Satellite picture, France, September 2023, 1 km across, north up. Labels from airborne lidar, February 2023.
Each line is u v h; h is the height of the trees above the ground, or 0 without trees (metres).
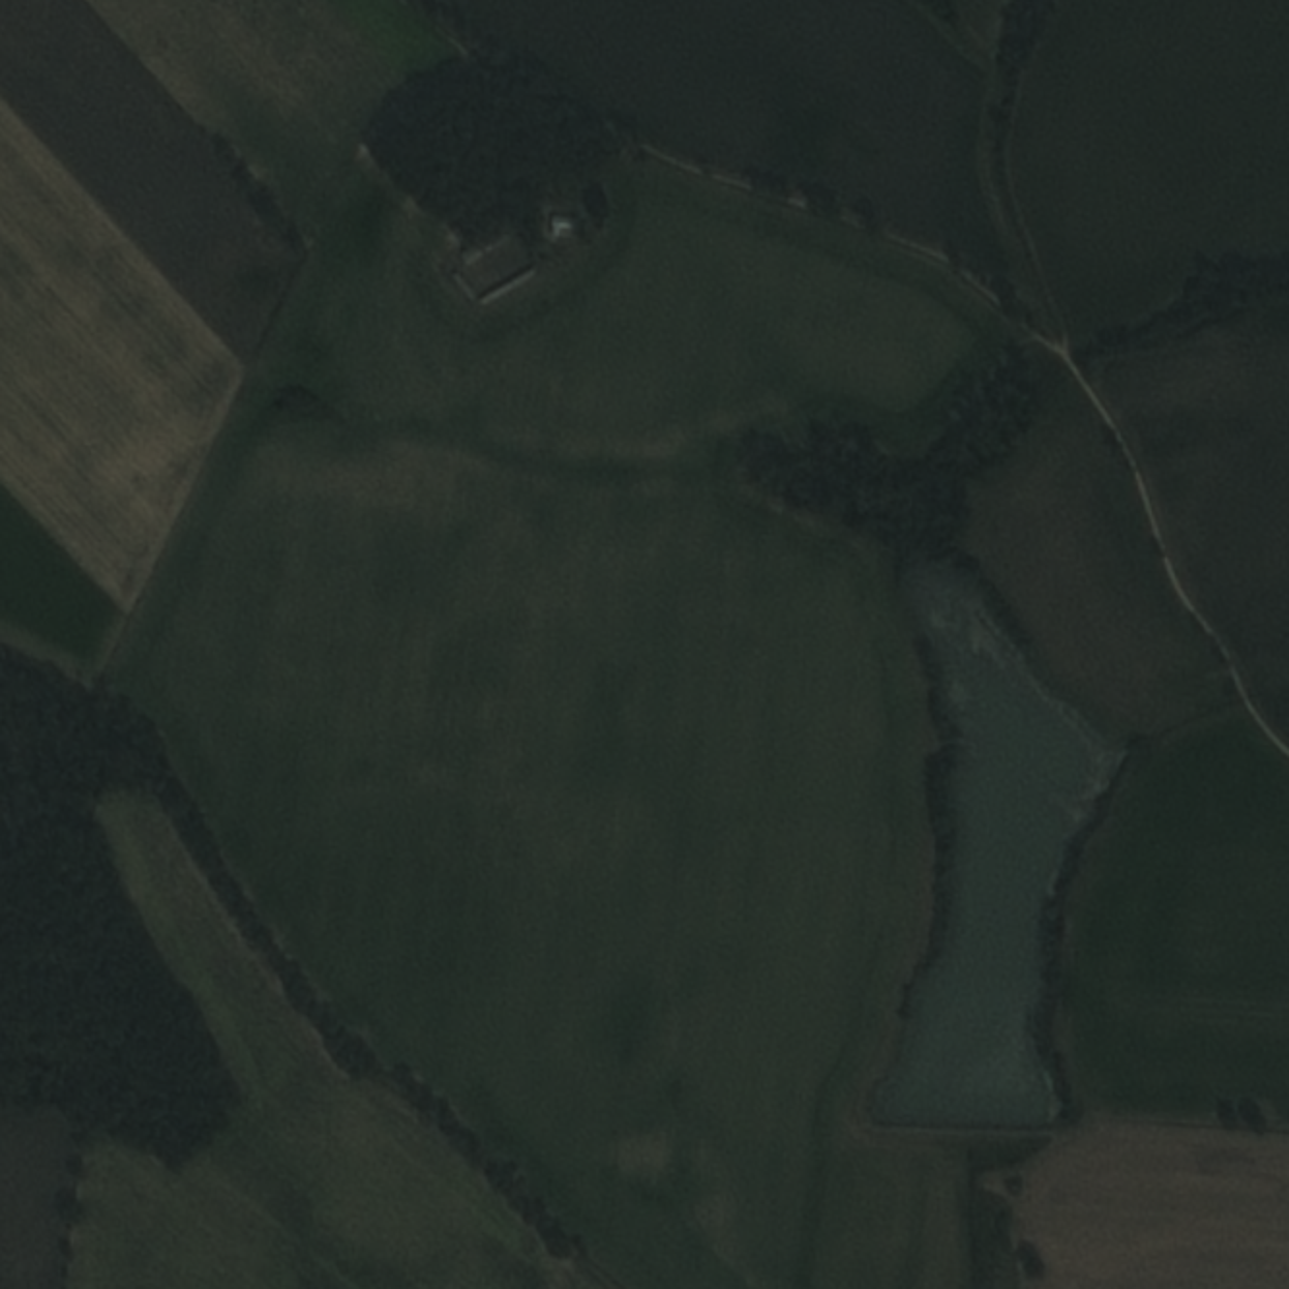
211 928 0
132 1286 0
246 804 0
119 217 0
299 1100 0
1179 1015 0
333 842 0
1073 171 0
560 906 0
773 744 0
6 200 0
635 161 10
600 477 0
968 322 0
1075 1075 0
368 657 0
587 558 0
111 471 0
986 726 0
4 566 0
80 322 0
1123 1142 0
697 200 0
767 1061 0
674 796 0
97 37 0
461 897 0
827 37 0
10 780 28
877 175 0
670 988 0
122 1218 0
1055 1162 0
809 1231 0
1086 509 0
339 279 0
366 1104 0
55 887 24
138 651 0
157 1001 24
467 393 0
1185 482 0
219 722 0
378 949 0
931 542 8
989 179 0
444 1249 0
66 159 0
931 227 0
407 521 0
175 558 0
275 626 0
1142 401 0
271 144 0
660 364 0
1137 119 0
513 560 0
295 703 0
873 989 0
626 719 0
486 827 0
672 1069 0
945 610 0
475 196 25
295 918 0
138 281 0
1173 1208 0
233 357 0
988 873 0
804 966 0
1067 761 0
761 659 0
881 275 0
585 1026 0
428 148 23
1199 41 0
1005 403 28
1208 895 0
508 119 23
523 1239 0
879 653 0
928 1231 0
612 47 0
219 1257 0
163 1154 20
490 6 0
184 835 19
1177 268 0
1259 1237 0
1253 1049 0
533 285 0
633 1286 0
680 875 0
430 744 0
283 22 0
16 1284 0
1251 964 0
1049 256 0
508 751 0
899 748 0
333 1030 12
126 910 19
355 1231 0
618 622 0
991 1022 0
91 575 0
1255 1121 18
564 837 0
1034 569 0
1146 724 0
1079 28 0
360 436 0
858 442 20
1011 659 0
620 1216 0
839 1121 0
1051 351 0
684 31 0
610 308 0
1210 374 0
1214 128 0
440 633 0
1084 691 0
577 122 23
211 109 0
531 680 0
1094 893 0
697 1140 0
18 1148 0
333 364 0
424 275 0
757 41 0
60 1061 15
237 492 0
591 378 0
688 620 0
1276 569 0
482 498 0
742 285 0
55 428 0
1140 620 0
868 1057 0
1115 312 0
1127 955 0
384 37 0
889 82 0
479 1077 0
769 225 0
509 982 0
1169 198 0
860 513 29
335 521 0
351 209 0
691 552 0
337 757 0
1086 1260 0
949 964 0
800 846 0
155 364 0
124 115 0
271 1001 0
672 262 0
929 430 0
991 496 0
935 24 0
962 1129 0
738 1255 0
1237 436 0
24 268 0
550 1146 0
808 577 0
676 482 0
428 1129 0
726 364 0
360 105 0
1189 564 0
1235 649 0
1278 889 0
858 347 0
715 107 0
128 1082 25
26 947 22
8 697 23
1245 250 0
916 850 0
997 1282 0
